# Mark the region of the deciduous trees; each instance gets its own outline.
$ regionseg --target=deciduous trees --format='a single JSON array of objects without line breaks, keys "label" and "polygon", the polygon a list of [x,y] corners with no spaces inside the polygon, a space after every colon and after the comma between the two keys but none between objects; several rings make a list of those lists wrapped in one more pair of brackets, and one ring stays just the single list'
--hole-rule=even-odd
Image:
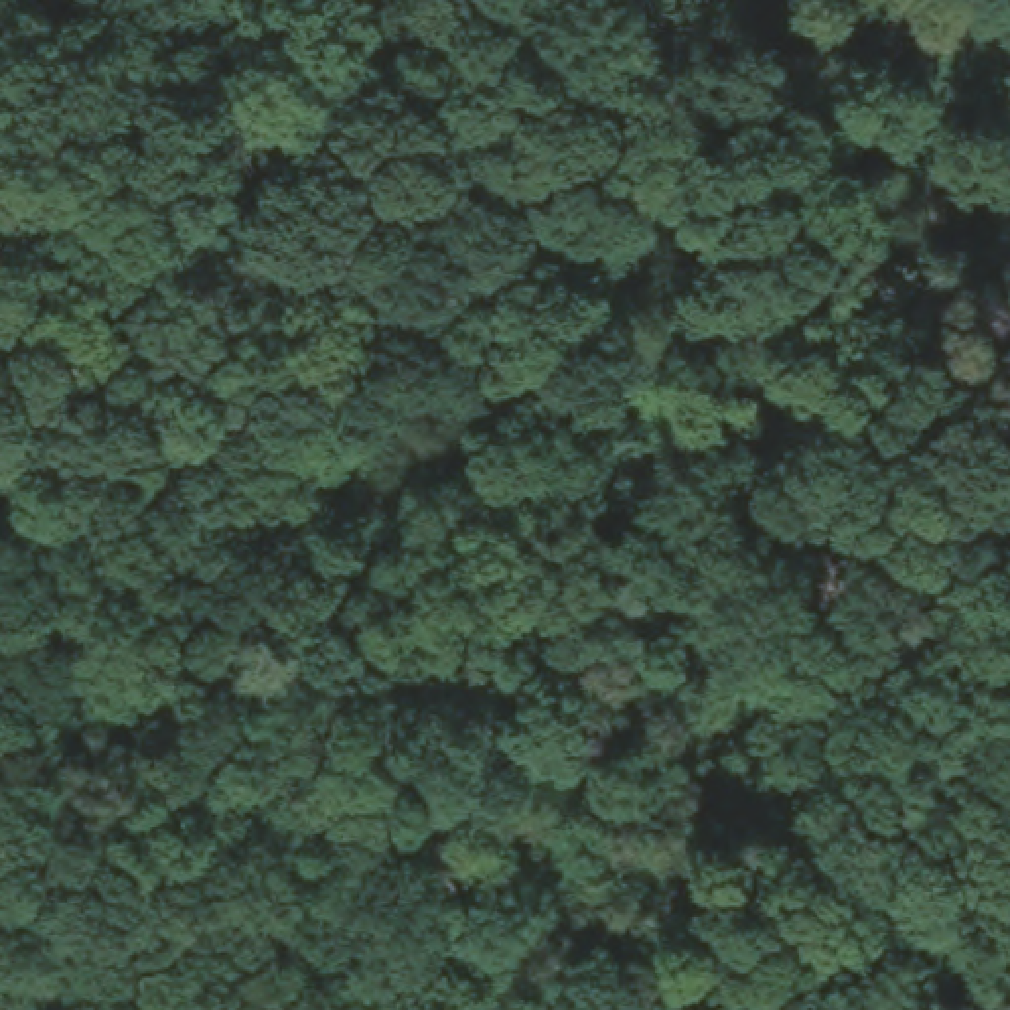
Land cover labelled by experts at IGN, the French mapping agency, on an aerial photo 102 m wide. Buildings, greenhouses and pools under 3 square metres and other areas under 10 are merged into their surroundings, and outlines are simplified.
[{"label": "deciduous trees", "polygon": [[0,1010],[1010,1010],[1010,0],[0,0]]}]

